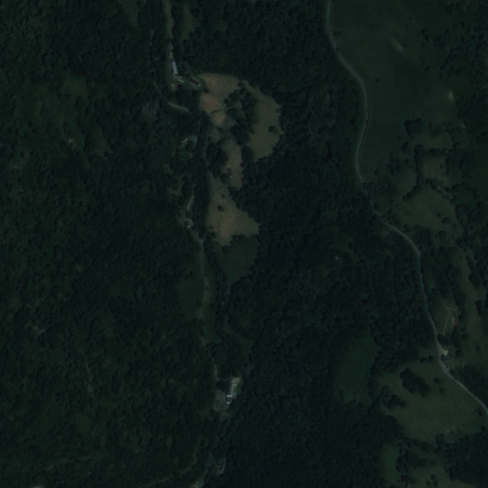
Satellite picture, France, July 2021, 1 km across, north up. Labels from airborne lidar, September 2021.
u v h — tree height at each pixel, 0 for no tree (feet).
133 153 69
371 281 22
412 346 94
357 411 36
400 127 0
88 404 66
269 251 42
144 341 39
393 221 43
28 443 63
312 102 87
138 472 79
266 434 73
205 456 70
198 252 28
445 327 0
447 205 0
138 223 65
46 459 52
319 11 38
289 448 57
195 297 0
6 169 87
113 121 62
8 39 21
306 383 76
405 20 0
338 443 87
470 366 23
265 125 0
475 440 21
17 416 76
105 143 0
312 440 56
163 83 52
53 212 77
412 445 79
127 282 29
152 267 77
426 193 0
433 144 0
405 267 27
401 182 0
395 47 0
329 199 45
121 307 32
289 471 86
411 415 0
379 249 21
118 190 64
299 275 82
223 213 0
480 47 39
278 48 75
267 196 58
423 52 0
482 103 55
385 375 0
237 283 38
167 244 36
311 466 38
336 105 57
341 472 96
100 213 45
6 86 74
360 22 0
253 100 49
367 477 56
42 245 86
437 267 23
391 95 0
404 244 39
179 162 56
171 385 81
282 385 69
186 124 60
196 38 62
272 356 62
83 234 77
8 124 50
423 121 44
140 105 119
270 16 85
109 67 89
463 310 35
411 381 67
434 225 0
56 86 51
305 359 55
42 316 94
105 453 0
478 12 31
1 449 87
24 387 60
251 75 67
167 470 61
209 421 62
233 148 0
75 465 37
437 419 0
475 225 63
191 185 67
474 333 0
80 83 0
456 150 52
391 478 0
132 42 29
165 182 58
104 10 30
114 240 71
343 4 0
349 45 0
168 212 63
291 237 92
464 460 34
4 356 48
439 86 0
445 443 46
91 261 40
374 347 0
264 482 85
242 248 0
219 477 44
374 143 0
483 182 0
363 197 55
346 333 73
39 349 29
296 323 85
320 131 51
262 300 74
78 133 0
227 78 0
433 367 0
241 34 51
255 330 28
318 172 44
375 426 91
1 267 55
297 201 38
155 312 36
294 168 80
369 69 0
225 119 0
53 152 32
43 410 46
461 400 0
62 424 38
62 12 111
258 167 74
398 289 41
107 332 63
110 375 29
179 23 60
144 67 48
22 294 75
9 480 78
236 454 87
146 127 70
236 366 26
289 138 23
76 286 79
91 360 58
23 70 47
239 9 52
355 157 0
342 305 75
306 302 69
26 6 77
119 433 85
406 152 46
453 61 32
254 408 65
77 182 74
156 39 65
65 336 72
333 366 52
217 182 0
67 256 23
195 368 72
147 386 68
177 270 102
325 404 75
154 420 70
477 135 29
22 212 38
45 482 31
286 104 79
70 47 91
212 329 0
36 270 62
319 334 85
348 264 75
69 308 69
